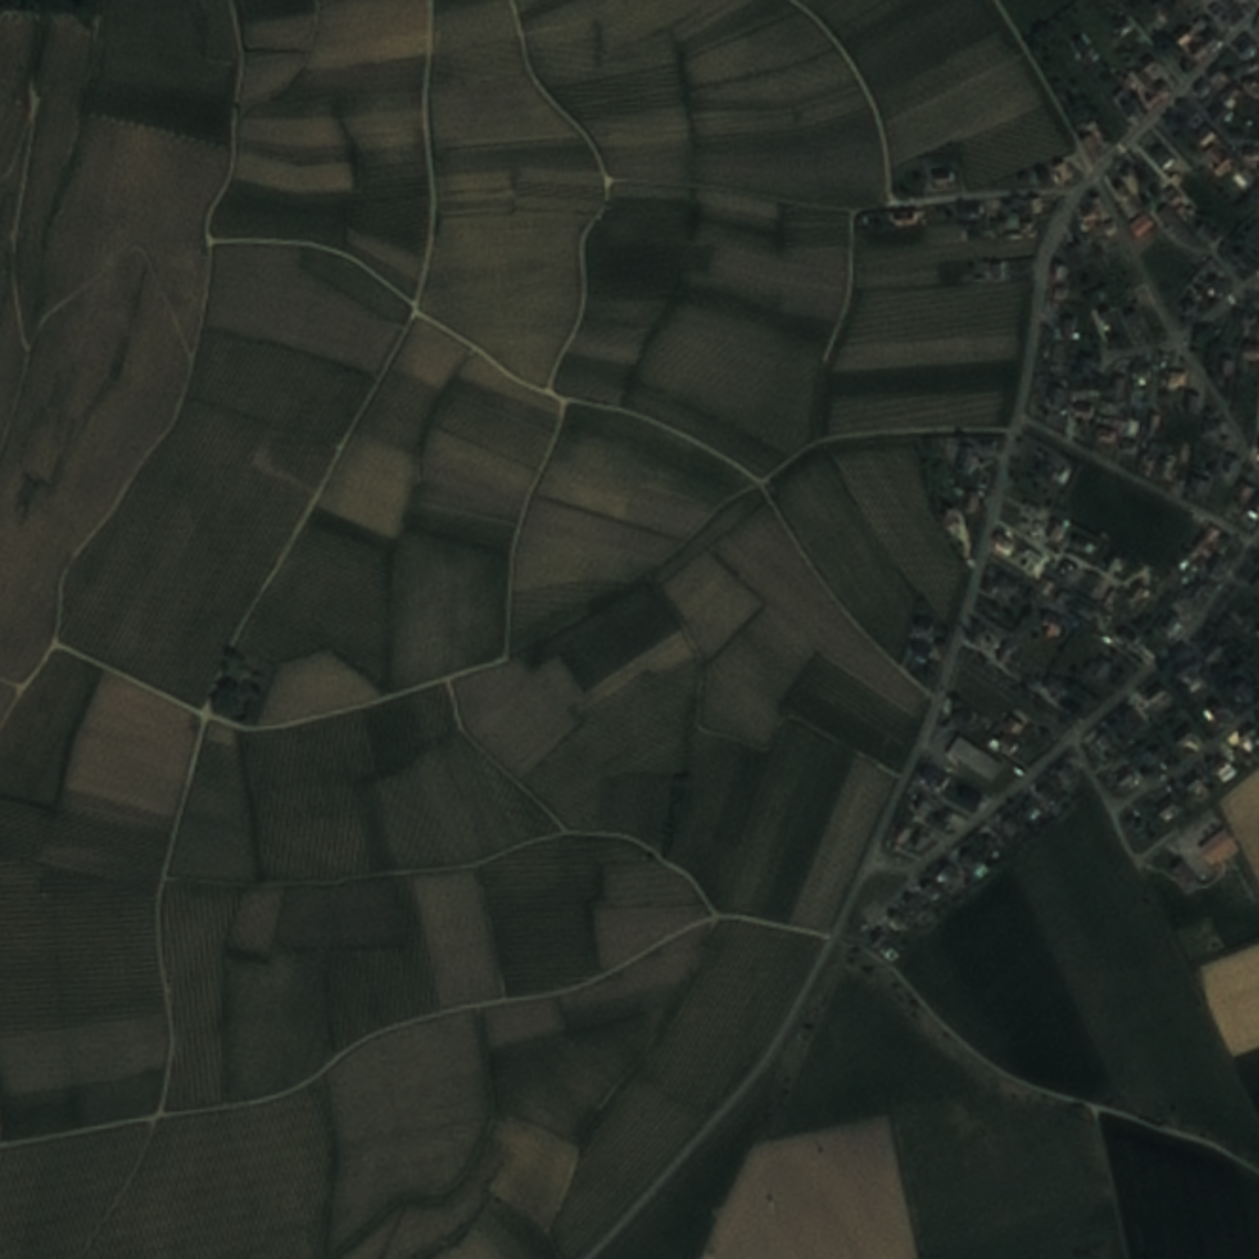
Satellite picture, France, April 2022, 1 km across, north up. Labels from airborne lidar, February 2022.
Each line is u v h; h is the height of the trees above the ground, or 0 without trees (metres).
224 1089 0
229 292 0
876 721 0
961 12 0
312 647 0
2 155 0
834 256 0
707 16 0
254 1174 0
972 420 0
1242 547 0
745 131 0
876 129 0
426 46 0
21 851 0
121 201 0
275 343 0
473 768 0
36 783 0
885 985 0
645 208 0
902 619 0
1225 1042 0
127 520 0
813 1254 0
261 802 0
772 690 0
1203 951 0
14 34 0
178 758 0
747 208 0
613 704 0
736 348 0
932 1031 0
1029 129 0
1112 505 0
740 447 0
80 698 0
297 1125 0
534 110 0
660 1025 0
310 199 0
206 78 0
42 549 0
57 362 0
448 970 0
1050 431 0
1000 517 0
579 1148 0
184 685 0
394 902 0
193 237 0
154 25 0
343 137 0
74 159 0
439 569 0
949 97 0
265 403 0
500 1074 0
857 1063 0
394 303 0
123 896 0
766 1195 0
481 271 0
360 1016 0
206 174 0
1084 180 0
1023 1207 0
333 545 0
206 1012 0
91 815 0
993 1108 0
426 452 0
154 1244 0
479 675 0
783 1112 0
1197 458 0
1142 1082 0
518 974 0
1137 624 8
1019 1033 0
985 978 0
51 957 0
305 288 0
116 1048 0
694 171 0
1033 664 0
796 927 0
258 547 0
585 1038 0
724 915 0
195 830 0
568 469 0
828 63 0
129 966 0
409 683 0
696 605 0
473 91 0
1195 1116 0
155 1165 0
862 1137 0
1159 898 0
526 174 0
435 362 0
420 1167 0
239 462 0
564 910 0
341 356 0
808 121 0
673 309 0
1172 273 0
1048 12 0
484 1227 0
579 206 0
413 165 0
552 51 0
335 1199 0
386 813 0
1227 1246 0
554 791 0
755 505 0
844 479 0
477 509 0
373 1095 0
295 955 0
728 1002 0
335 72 0
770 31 0
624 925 0
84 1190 0
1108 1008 0
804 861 0
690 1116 0
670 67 0
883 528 0
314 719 0
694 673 0
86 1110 0
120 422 0
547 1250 0
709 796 0
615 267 0
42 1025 0
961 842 0
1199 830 0
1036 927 0
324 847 0
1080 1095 0
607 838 0
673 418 0
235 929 0
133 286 0
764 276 0
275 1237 0
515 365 0
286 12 0
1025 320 0
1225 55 8
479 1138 0
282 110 0
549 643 0
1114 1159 0
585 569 0
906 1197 0
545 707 0
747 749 0
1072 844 0
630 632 0
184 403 0
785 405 0
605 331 0
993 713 0
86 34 0
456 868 0
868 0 0
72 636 0
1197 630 0
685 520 0
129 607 0
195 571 0
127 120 0
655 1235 0
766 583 0
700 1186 0
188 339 0
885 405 0
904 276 0
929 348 0
